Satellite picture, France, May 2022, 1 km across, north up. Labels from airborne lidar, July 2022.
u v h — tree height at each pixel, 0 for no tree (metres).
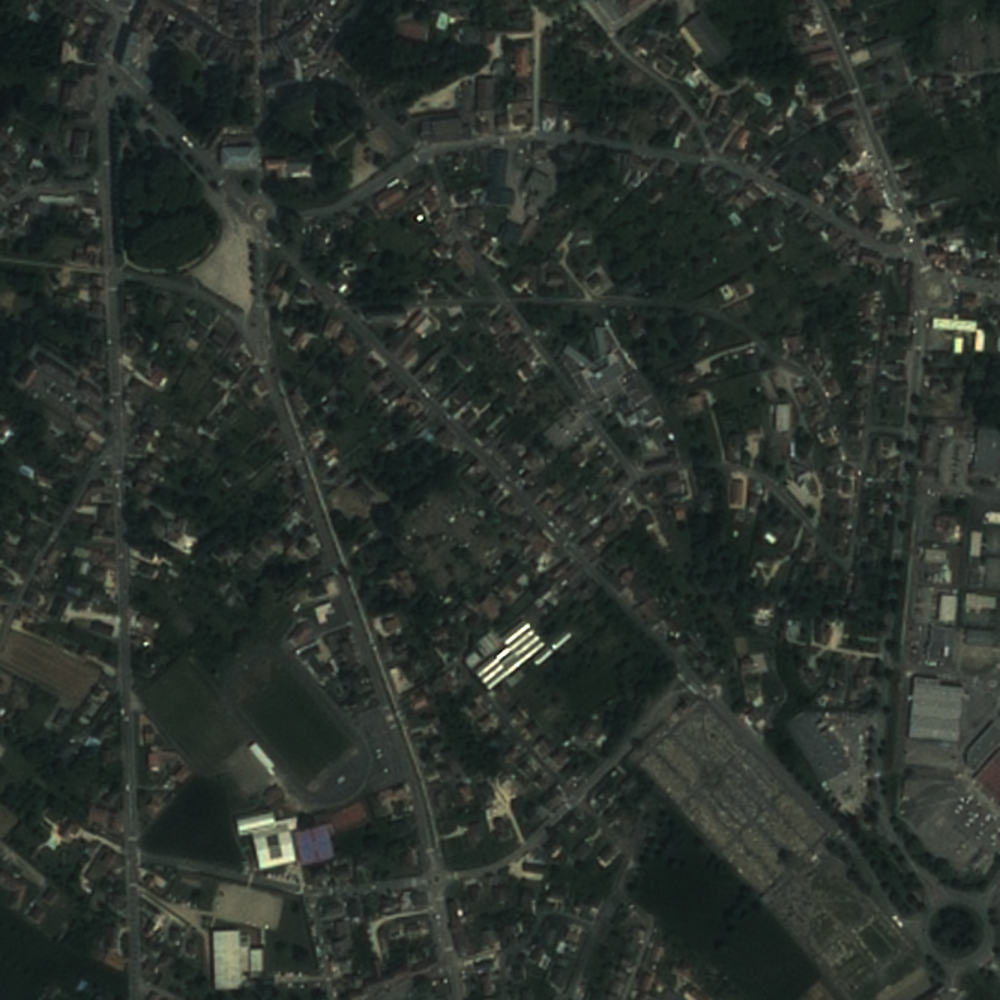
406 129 0
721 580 15
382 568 12
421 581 7
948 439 0
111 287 0
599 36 7
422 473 6
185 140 0
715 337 13
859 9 13
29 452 6
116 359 0
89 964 0
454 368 8
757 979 0
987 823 0
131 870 0
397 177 0
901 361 0
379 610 17
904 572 13
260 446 6
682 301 0
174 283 0
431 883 0
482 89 0
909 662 0
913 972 0
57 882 9
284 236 19
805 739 0
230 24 0
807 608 17
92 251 0
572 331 10
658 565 8
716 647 13
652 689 12
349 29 19
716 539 19
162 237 34
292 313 12
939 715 0
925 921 0
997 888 0
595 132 13
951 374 7
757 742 0
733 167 0
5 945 0
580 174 16
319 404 7
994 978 10
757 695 0
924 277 0
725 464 0
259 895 0
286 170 0
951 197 0
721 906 0
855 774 0
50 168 18
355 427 0
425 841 0
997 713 0
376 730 0
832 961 0
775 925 0
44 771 6
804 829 0
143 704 0
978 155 0
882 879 8
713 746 0
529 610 0
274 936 0
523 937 6
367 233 10
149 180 34
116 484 0
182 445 7
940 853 0
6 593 10
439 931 0
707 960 0
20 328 19
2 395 7
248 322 0
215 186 12
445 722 10
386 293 9
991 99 12
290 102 32
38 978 0
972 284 0
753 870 0
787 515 7
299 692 0
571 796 0
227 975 0
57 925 0
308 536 8
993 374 18
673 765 0
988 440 0
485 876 0
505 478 0
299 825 8
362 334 0
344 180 18
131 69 0
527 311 9
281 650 0
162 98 18
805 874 0
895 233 0
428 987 22
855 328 7
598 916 0
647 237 9
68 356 11
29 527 0
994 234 7
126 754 0
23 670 0
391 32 21
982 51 0
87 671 0
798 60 25
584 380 0
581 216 9
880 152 0
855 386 6
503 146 0
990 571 0
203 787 0
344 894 0
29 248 13
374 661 0
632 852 0
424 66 11
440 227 0
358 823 0
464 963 0
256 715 0
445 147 0
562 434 0
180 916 0
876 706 11
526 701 0
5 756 0
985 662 0
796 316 0
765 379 0
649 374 11
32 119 23
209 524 6
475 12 9
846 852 12
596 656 8
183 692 0
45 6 11
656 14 6
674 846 9
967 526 0
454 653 7
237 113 16
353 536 16
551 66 7
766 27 18
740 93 6
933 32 11
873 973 0
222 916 0
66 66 7
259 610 11
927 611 0
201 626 6
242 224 0
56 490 8
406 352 0
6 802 11
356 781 0
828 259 6
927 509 0
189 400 0
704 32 0
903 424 0
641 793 6
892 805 0
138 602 10
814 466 0
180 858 0
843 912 0
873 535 7
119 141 8
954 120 7
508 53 11
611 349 0
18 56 26
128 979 0
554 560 0
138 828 0
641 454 12
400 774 0
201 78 7
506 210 6
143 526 17
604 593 6
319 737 0
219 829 0
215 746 0
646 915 0
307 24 0
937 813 0
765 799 0
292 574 15
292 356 0
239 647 11
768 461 6
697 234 7
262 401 0
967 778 0
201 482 9
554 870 9
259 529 10
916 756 0
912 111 0
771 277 0
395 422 6
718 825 0
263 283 0
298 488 18
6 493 7
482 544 0
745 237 0
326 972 0
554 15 11
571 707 0
